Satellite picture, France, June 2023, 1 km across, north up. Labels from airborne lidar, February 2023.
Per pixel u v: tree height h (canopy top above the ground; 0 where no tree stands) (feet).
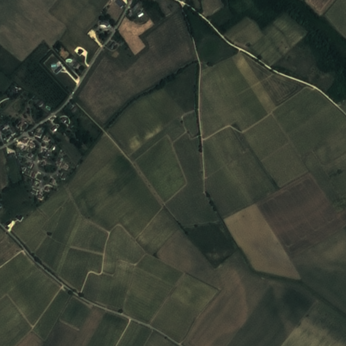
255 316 0
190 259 0
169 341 0
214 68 0
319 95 0
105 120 0
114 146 0
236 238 0
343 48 0
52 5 0
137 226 0
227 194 0
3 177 0
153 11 0
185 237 0
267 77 0
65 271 0
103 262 0
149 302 0
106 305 0
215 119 0
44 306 0
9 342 0
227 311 0
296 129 0
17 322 0
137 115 0
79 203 0
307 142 0
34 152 27
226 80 0
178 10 0
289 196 0
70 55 27
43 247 0
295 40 0
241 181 0
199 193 0
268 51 0
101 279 0
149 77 0
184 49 0
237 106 0
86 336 0
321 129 0
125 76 0
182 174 0
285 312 0
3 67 0
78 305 0
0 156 0
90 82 0
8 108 0
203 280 0
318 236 0
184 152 0
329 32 0
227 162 0
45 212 0
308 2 0
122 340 0
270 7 37
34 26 0
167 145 0
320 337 0
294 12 51
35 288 0
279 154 0
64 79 0
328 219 0
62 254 0
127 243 0
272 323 0
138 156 0
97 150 0
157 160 0
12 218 0
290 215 0
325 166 0
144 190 0
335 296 0
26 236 0
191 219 0
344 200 0
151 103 0
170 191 0
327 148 0
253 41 0
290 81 0
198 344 0
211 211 0
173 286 0
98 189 0
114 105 0
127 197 0
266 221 0
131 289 0
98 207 0
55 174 0
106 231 0
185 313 0
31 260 0
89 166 0
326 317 0
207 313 0
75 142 47
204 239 0
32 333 0
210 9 0
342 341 0
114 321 0
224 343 0
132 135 0
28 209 0
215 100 0
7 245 0
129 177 0
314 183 0
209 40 0
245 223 0
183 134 0
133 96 0
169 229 0
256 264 0
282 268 0
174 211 0
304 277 0
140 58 0
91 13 0
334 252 0
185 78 0
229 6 22
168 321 0
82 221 0
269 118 0
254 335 0
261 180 0
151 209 0
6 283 0
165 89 0
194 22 0
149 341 0
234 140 0
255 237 0
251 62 0
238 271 0
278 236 0
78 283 0
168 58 0
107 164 0
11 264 0
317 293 0
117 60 0
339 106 0
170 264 0
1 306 0
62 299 0
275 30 0
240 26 0
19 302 0
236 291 0
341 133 0
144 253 0
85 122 0
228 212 0
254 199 0
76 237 0
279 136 0
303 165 0
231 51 0
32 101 27
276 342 0
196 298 0
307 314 0
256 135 0
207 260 0
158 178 0
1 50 0
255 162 0
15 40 0
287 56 0
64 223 0
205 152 0
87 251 0
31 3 0
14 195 0
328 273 0
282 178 0
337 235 0
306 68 0
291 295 0
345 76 50
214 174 0
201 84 0
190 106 0
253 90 0
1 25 0
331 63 43
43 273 0
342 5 0
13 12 0
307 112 0
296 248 0
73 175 0
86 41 0
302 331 0
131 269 0
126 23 0
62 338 0
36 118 22
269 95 0
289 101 0
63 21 0
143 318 0
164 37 0
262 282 0
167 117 0
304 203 0
